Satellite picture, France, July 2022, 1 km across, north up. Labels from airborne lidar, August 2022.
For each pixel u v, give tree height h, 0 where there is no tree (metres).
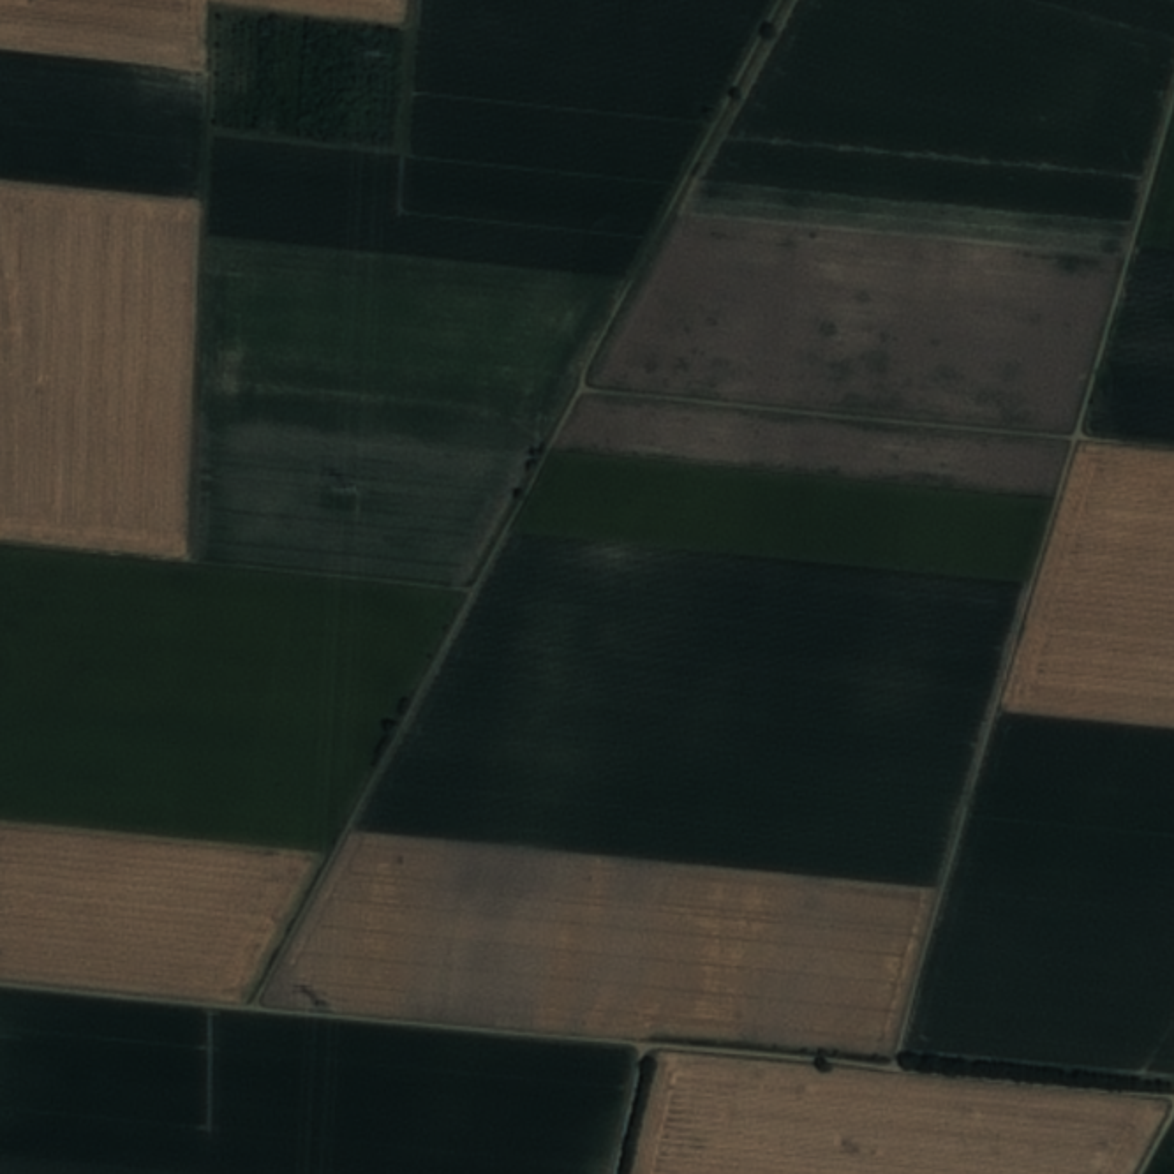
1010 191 0
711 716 0
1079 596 0
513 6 0
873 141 0
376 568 0
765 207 0
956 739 0
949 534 0
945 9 0
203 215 0
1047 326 0
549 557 0
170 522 0
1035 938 0
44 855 0
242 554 0
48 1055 0
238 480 0
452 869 0
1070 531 0
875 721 0
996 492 0
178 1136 0
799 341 0
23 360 0
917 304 0
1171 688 0
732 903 0
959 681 0
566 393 0
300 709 0
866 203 0
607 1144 0
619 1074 0
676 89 0
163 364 0
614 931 0
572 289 0
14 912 0
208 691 0
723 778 0
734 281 0
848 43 0
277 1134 0
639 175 0
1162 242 0
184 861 0
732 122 0
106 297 0
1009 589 0
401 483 0
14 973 0
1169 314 0
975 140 0
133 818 0
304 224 0
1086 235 0
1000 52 0
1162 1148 0
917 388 0
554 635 0
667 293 0
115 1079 0
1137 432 0
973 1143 0
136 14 0
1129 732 0
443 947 0
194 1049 0
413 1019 0
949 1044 0
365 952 0
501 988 0
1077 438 0
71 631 0
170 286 0
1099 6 0
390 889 0
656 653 0
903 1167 0
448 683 0
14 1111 0
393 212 0
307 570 0
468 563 0
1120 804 0
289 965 0
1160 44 0
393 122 7
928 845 0
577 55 0
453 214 0
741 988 0
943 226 0
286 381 0
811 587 0
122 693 0
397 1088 0
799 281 0
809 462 0
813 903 0
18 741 0
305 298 0
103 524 0
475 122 0
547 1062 0
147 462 0
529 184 0
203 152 0
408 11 0
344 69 12
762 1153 0
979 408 0
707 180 0
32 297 0
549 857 0
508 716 0
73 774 0
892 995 0
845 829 0
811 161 0
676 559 0
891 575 0
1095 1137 0
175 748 0
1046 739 0
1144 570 0
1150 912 0
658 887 0
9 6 0
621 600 0
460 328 0
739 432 0
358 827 0
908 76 0
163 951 0
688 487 0
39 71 0
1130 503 0
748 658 0
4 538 0
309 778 0
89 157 0
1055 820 0
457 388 0
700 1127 0
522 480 0
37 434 0
